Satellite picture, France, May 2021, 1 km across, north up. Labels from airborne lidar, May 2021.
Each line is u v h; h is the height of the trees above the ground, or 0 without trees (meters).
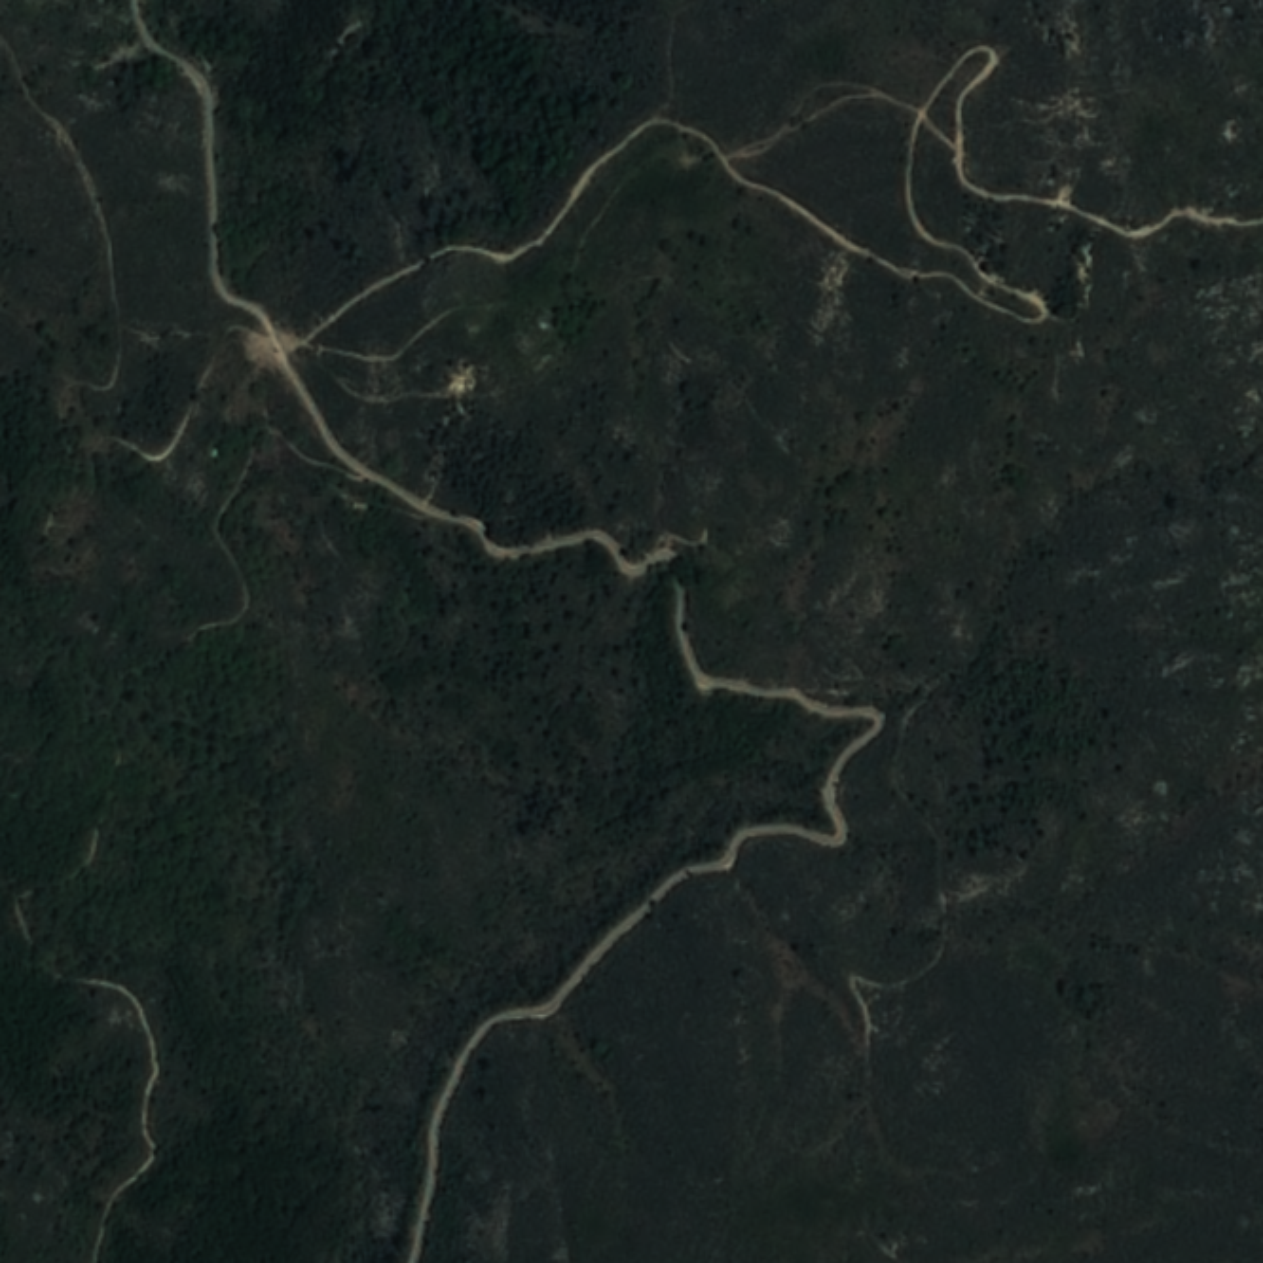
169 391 8
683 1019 0
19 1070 10
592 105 14
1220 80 0
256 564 8
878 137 0
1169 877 0
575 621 16
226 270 13
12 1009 15
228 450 19
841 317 0
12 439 16
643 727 14
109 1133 7
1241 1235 0
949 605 0
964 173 0
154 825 14
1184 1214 0
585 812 8
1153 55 0
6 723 17
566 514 12
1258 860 0
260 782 14
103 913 16
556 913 6
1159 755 0
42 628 13
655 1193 0
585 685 9
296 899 17
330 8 9
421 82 8
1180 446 0
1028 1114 0
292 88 12
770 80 0
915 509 0
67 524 0
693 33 0
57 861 13
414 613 14
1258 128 0
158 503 14
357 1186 7
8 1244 10
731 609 0
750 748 11
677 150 0
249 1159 18
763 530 0
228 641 10
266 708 12
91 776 21
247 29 7
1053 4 0
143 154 0
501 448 14
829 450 7
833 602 0
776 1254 0
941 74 0
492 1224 0
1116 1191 0
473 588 11
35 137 0
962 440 0
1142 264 0
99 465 12
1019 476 8
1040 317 0
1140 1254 0
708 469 0
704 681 0
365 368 0
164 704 25
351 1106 13
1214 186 0
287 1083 10
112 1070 7
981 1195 0
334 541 0
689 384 11
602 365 7
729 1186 0
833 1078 0
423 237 10
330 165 8
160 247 0
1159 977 0
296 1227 20
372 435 0
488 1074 10
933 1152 0
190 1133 8
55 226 0
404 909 9
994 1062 0
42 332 14
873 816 0
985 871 0
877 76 0
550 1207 0
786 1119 0
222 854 16
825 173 0
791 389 0
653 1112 0
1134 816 0
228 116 10
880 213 0
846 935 0
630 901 8
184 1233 8
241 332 0
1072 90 0
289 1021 10
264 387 9
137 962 18
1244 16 7
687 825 9
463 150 13
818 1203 0
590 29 9
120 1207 10
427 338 0
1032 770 12
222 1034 16
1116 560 0
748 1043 0
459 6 9
